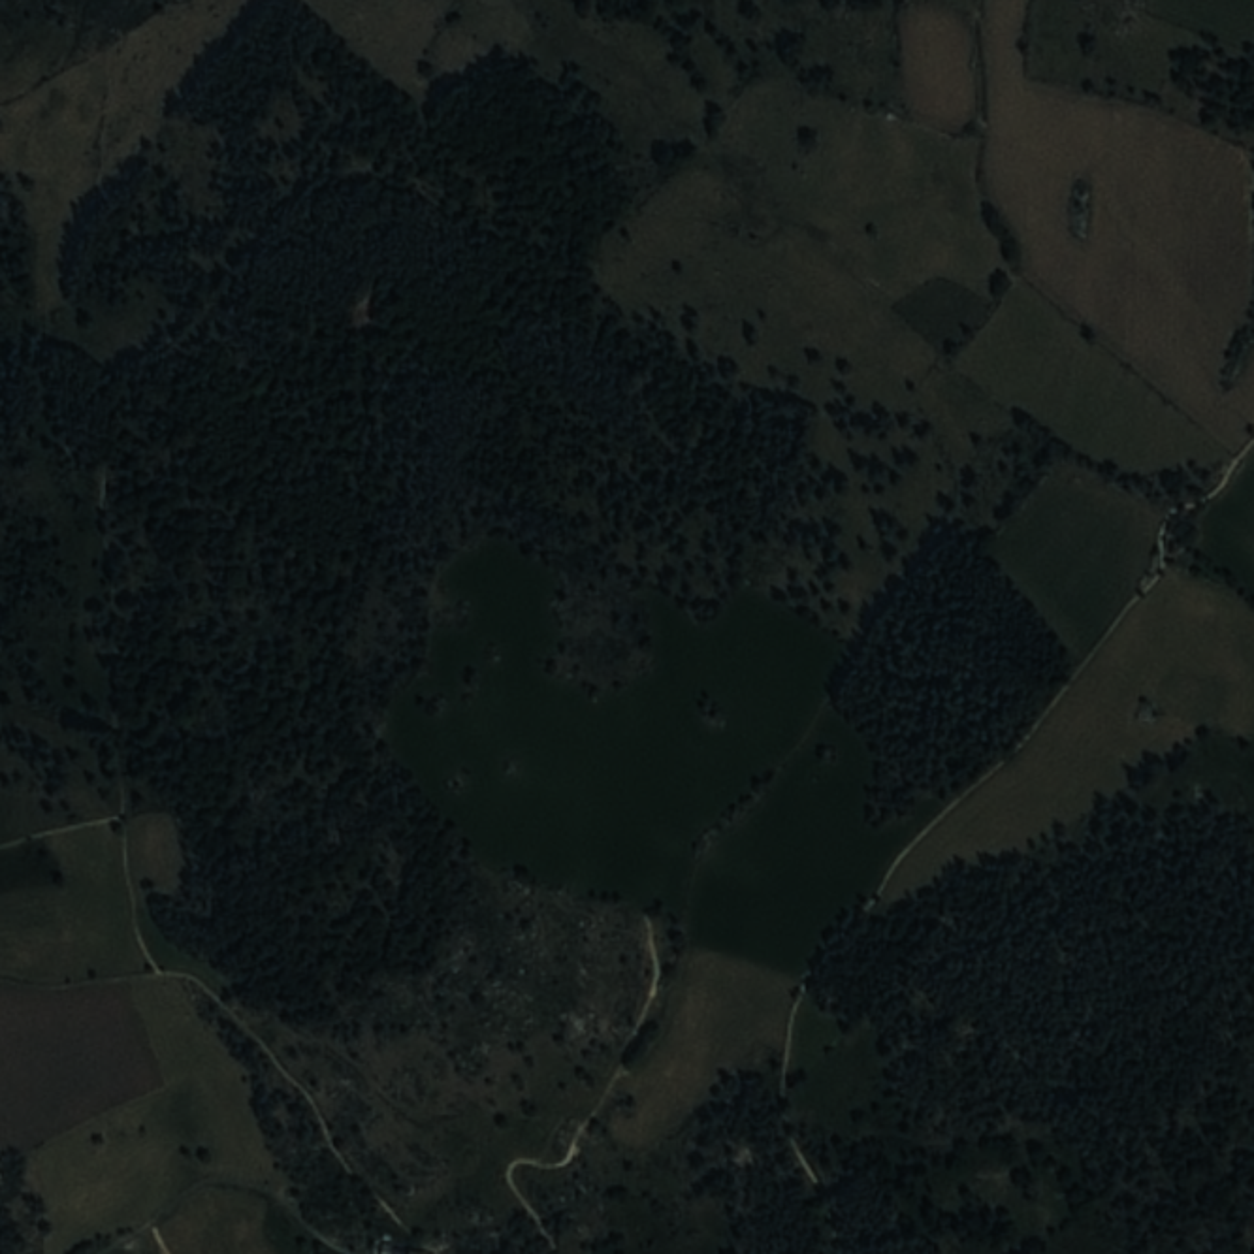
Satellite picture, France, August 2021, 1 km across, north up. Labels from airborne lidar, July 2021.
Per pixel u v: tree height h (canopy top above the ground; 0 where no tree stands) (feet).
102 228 57
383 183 27
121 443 45
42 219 0
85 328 42
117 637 52
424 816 25
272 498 33
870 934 49
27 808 0
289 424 35
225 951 28
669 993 0
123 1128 0
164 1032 0
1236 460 0
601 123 43
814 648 0
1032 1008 60
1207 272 0
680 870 0
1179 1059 45
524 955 0
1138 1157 57
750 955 0
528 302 34
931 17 0
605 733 0
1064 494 0
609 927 0
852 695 66
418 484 44
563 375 59
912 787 57
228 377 39
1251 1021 32
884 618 55
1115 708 0
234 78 43
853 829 0
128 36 0
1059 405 0
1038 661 60
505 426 43
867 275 0
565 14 0
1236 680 0
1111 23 0
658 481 52
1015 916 63
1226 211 0
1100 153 0
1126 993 41
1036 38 0
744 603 0
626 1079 0
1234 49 0
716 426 19
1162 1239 45
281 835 25
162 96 0
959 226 0
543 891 0
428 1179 0
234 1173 0
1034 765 0
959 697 112
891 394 0
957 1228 65
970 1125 33
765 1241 48
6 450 24
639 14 51
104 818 0
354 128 36
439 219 33
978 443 41
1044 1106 79
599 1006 0
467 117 74
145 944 0
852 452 0
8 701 53
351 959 26
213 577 29
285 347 33
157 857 0
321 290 60
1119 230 0
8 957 0
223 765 28
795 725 0
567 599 30
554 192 36
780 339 0
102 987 0
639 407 63
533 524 62
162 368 42
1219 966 57
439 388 58
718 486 39
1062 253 0
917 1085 52
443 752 0
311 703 36
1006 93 0
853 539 0
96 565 25
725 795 0
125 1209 0
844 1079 0
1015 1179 50
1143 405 0
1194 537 27
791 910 0
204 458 28
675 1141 0
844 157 0
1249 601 37
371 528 37
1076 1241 0
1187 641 0
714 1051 0
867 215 0
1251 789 0
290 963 42
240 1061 43
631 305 0
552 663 25
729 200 0
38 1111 0
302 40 61
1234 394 0
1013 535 0
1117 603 0
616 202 51
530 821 0
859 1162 44
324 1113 0
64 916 0
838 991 49
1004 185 0
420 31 0
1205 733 41
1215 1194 43
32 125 0
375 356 27
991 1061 93
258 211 49
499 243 55
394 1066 0
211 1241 0
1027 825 0
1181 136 0
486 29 0
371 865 27
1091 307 0
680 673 0
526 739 0
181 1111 0
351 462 47
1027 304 0
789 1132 58
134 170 47
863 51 0
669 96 0
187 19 0
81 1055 0
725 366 33
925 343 0
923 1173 59
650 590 0
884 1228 58
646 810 0
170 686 40
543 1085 0
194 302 55
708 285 0
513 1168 0
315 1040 0
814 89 50
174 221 55
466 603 0
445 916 22
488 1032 0
